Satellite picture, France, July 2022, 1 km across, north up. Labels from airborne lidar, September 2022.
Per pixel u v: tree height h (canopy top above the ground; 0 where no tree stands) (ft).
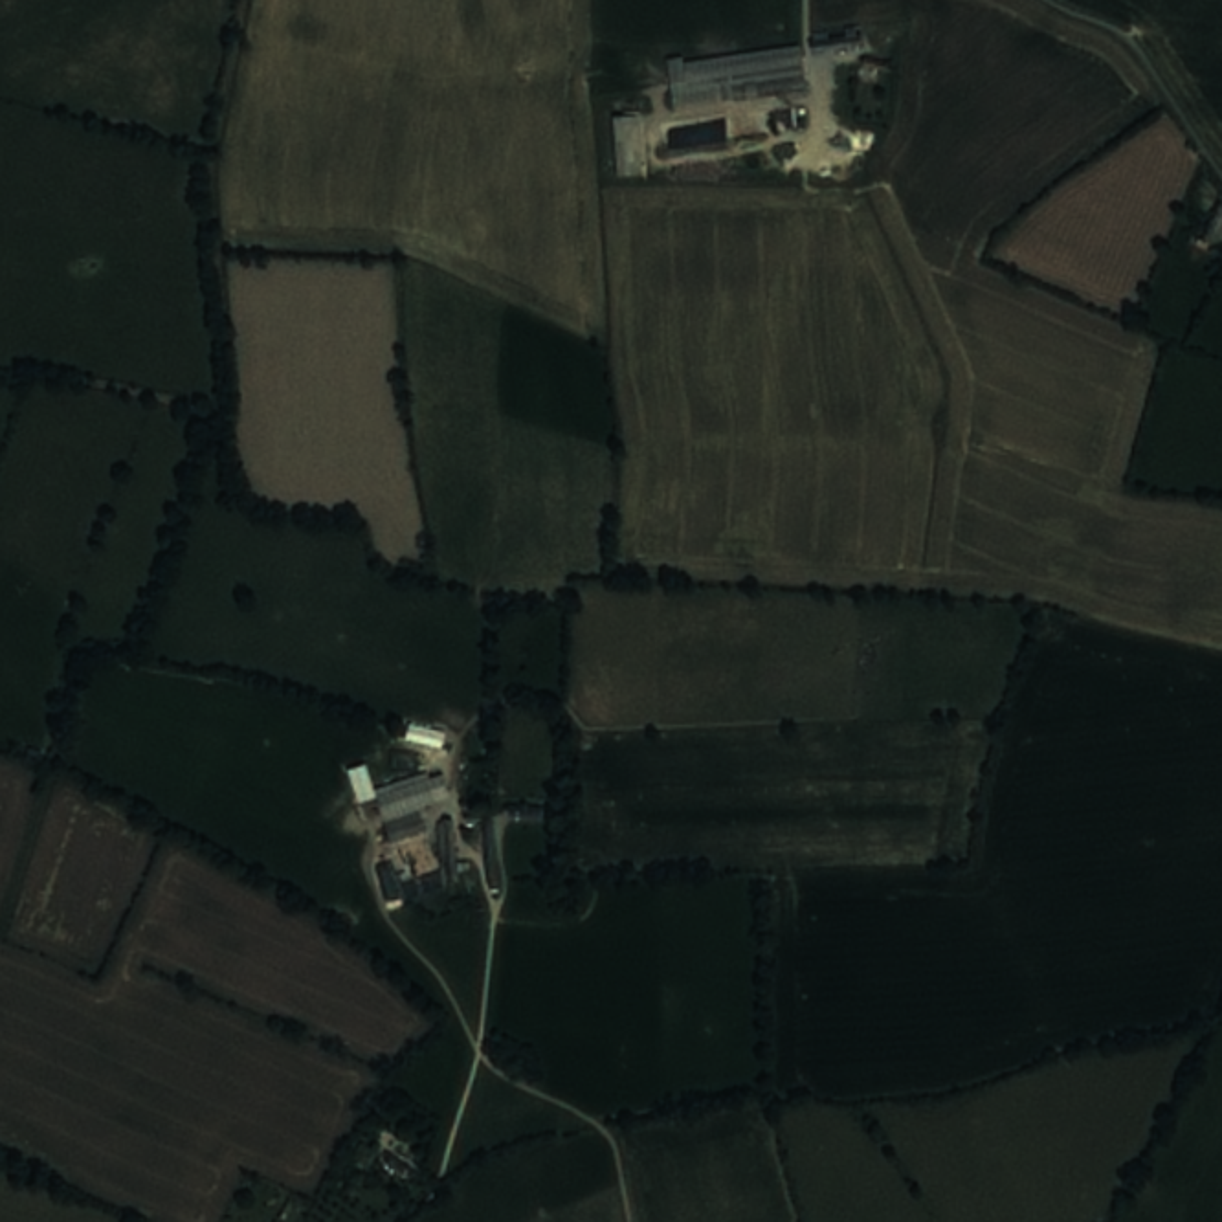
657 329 0
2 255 0
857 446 0
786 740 38
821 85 0
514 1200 0
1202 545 0
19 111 0
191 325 0
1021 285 50
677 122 0
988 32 0
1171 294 0
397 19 0
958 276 0
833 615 0
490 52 0
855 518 0
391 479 0
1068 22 0
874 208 0
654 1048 0
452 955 0
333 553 0
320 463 0
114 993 0
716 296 0
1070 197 0
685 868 51
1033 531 0
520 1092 0
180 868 0
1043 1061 22
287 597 0
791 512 0
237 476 57
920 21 0
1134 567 0
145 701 0
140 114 0
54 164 0
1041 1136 0
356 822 0
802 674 0
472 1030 0
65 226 0
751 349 0
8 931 0
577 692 0
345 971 0
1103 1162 0
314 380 0
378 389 0
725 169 0
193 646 0
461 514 0
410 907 22
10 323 0
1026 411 0
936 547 0
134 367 0
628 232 0
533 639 0
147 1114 0
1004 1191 0
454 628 0
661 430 0
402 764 0
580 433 0
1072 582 0
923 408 0
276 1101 0
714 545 0
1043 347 0
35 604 0
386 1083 47
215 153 56
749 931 0
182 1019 0
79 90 0
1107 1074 0
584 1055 0
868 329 0
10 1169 52
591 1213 0
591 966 0
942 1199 0
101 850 0
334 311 0
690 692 0
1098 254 0
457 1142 0
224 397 48
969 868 21
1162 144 0
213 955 0
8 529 0
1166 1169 0
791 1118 0
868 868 0
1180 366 0
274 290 0
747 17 0
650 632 0
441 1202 51
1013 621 0
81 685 85
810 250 0
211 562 0
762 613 0
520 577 0
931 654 0
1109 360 0
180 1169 0
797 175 0
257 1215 0
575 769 28
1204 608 0
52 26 0
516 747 0
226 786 0
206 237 48
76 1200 27
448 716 0
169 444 0
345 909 0
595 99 0
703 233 0
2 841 0
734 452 0
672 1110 71
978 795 34
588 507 0
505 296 0
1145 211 0
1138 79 0
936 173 0
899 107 0
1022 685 33
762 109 0
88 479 0
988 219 0
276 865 0
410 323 0
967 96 0
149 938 0
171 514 46
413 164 0
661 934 0
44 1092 0
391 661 0
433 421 0
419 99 0
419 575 17
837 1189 0
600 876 51
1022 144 0
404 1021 0
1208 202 0
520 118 0
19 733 0
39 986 0
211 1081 0
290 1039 50
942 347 0
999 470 0
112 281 0
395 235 0
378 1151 21
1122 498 0
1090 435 0
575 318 0
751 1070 0
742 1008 0
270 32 0
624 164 0
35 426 0
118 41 0
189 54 0
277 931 0
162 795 0
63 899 0
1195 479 0
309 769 0
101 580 0
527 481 0
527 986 0
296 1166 0
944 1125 0
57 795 0
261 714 0
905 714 0
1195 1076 54
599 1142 0
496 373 0
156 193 0
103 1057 0
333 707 61
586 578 20
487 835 0
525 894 0
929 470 0
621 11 0
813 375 0
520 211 0
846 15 0
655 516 0
